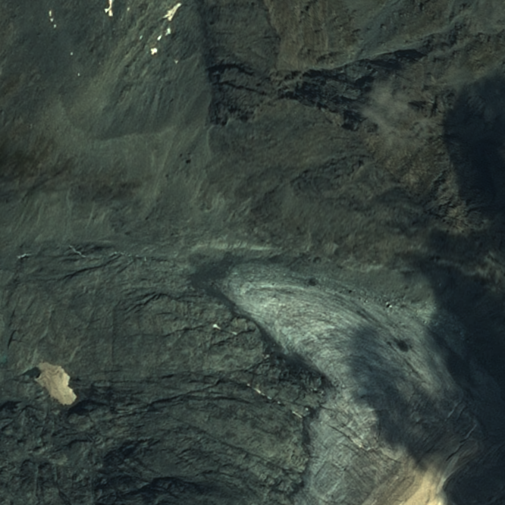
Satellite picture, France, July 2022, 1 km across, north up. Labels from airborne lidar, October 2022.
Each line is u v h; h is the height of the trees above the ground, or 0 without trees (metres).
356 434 0
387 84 0
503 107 0
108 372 0
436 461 0
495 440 0
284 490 0
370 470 0
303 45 0
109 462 0
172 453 0
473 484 0
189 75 0
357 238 0
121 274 0
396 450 0
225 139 7
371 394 0
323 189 0
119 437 0
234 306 0
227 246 0
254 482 0
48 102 0
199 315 0
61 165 0
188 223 0
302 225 0
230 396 0
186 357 0
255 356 0
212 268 0
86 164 0
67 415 0
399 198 0
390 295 0
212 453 0
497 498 0
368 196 0
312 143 0
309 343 0
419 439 0
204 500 0
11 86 0
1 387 0
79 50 0
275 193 0
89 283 0
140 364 0
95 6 0
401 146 0
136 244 0
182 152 0
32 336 0
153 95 0
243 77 0
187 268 0
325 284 0
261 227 0
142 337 0
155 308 0
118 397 0
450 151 0
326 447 0
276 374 0
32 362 0
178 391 0
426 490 0
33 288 0
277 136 0
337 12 0
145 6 0
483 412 0
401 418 0
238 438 0
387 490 0
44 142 0
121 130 0
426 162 0
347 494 0
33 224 0
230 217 0
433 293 0
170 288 0
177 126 0
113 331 0
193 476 0
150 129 0
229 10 0
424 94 0
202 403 0
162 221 0
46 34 0
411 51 0
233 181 0
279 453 0
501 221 0
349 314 0
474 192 0
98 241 0
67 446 0
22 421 0
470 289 0
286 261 0
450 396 0
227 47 0
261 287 0
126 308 0
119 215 0
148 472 0
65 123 0
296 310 0
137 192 0
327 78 0
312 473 0
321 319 0
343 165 0
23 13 0
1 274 0
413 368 0
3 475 0
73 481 0
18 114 0
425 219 0
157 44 0
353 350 0
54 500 0
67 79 0
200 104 0
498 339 0
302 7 0
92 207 0
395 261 0
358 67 0
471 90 0
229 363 0
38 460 0
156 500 0
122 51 0
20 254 0
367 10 0
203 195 0
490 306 0
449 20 0
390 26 0
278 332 0
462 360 0
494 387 0
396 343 0
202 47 0
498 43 0
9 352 0
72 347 0
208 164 0
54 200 0
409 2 0
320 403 0
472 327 0
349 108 0
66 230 0
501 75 0
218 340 0
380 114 0
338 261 0
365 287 0
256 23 0
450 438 0
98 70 0
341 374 0
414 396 0
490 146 0
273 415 0
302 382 0
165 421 0
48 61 0
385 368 0
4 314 0
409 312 0
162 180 0
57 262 0
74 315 0
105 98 0
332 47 0
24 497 0
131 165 0
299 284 0
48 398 0
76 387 0
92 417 0
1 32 0
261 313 0
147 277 0
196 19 0
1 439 0
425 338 0
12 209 0
